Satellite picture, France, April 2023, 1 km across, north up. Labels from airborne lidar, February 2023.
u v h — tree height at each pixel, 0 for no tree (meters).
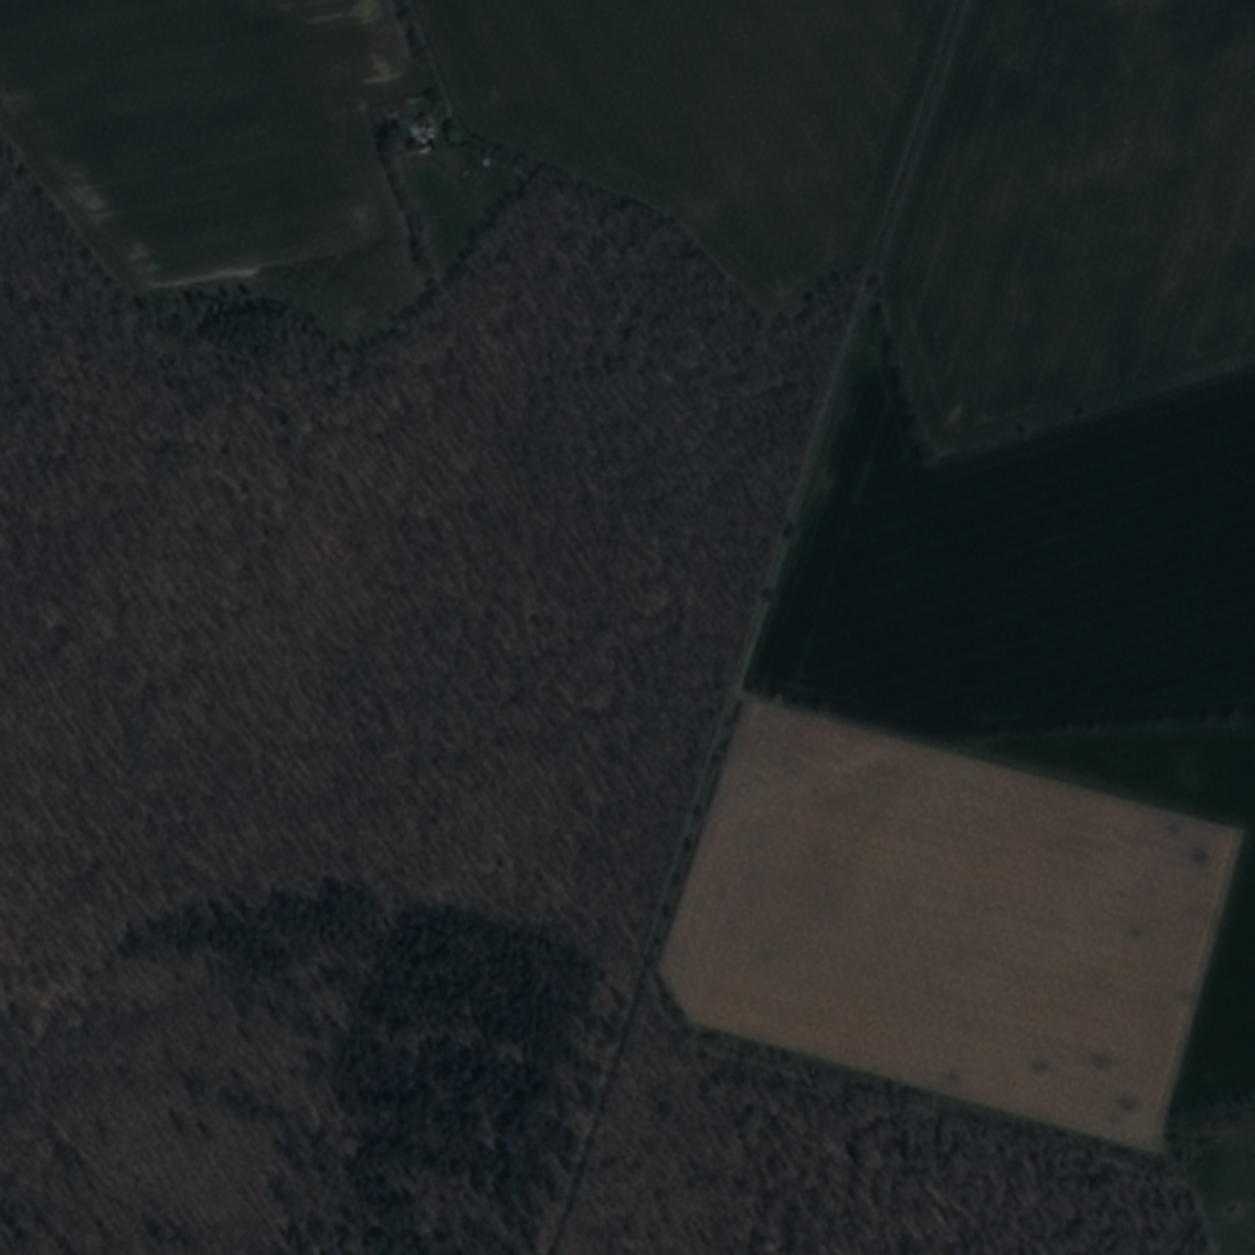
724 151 0
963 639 0
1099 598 0
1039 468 0
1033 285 0
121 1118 22
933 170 0
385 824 24
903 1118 20
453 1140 17
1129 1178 12
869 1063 0
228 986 20
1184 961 0
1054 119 0
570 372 23
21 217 18
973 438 0
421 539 17
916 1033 0
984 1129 18
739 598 16
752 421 9
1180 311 0
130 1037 20
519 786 26
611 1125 14
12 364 24
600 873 19
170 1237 21
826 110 0
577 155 0
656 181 0
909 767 0
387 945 19
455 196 0
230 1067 20
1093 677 0
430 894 18
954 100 0
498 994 16
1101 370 0
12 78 0
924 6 0
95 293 13
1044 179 0
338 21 0
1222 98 0
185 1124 22
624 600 18
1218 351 0
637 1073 15
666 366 20
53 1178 16
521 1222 24
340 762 23
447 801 23
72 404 11
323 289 0
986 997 0
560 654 12
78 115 0
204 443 9
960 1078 0
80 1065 20
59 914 21
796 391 17
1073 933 0
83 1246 23
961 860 0
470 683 18
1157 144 0
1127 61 0
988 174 0
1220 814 0
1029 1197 18
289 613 21
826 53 0
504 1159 14
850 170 0
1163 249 0
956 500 0
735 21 0
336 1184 17
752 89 0
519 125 0
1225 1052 0
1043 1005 0
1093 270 0
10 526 23
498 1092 19
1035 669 0
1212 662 0
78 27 0
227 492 19
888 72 0
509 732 18
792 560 0
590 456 18
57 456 18
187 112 0
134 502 16
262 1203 22
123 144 0
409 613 16
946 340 0
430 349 17
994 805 0
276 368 20
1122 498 0
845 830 0
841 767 0
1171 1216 18
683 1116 14
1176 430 0
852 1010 0
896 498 0
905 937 0
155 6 0
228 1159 26
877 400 0
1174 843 0
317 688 18
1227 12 0
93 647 23
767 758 0
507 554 17
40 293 20
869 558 0
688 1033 11
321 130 0
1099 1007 0
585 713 17
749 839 0
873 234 0
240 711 23
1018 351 0
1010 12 0
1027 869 0
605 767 24
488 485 18
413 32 10
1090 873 0
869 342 0
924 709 0
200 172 0
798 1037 0
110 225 0
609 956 19
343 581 16
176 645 20
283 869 22
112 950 18
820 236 0
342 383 15
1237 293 0
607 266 21
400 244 0
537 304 16
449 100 0
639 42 0
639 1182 15
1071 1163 8
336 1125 15
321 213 0
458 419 19
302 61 0
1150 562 0
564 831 18
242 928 24
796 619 0
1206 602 0
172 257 0
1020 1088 0
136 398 17
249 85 0
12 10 0
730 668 11
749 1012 0
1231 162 0
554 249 17
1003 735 9
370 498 19
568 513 17
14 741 13
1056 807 0
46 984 19
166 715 21
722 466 18
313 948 26
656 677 17
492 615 15
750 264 0
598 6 0
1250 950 0
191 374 17
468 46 0
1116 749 0
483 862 23
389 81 0
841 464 0
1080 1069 0
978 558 0
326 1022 17
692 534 18
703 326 14
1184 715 0
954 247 0
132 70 0
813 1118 22
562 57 0
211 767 19
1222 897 0
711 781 0
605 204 11
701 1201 14
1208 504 0
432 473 18
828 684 0
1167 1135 0
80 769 19
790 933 0
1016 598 0
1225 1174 0
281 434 19
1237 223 0
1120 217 0
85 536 21
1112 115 0
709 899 0
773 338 14
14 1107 15
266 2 0
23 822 25
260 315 20
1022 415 0
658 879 13
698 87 0
